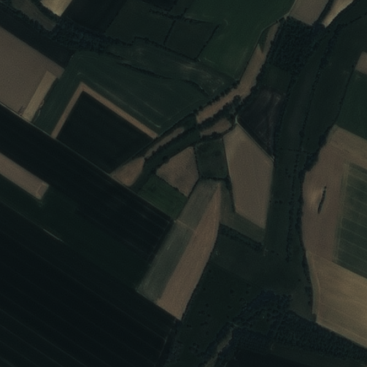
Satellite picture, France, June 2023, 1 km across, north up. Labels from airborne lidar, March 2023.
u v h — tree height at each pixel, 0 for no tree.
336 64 0
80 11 0
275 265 0
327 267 0
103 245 0
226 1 0
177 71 0
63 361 0
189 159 0
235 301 0
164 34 0
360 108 0
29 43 0
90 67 0
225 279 0
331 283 0
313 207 0
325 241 0
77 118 0
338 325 0
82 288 0
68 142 0
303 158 0
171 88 0
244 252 0
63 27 17
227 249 0
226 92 10
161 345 0
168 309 0
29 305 0
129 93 0
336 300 0
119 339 0
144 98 0
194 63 0
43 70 0
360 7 0
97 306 0
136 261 0
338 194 0
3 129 0
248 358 0
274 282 0
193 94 0
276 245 0
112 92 0
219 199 0
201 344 0
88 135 0
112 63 0
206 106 0
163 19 0
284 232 0
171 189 0
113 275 0
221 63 0
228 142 0
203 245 0
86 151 0
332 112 0
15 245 0
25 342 0
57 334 0
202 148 0
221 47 0
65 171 0
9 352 0
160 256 0
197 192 0
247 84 0
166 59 0
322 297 0
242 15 0
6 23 0
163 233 0
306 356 0
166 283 0
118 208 0
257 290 0
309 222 0
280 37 20
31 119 0
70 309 0
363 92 0
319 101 0
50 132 0
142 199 0
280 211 0
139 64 0
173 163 0
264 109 0
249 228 0
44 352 0
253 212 0
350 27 0
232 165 0
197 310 0
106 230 0
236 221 0
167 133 7
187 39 0
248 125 0
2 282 0
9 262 0
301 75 0
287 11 0
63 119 0
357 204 0
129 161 0
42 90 0
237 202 0
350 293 0
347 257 0
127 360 0
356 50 0
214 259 0
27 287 0
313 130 0
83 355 0
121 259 0
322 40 6
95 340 0
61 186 0
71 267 0
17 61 0
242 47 0
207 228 0
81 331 0
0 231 0
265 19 0
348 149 0
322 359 0
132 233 0
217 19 0
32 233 0
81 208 0
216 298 0
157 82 0
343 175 0
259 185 0
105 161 0
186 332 0
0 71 0
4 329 0
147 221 0
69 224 0
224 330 12
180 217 0
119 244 0
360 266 0
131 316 0
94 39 20
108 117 0
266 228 0
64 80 0
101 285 0
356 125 0
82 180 0
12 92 0
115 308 0
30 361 0
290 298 7
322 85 0
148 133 0
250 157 0
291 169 0
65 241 0
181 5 0
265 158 0
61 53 0
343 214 0
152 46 0
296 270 0
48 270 0
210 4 0
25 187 0
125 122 0
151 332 0
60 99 0
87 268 0
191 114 10
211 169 0
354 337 0
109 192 0
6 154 0
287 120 0
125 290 0
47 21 0
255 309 10
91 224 0
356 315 0
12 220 0
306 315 0
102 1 0
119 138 0
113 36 0
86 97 0
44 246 0
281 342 20
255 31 0
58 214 0
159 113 0
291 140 0
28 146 0
